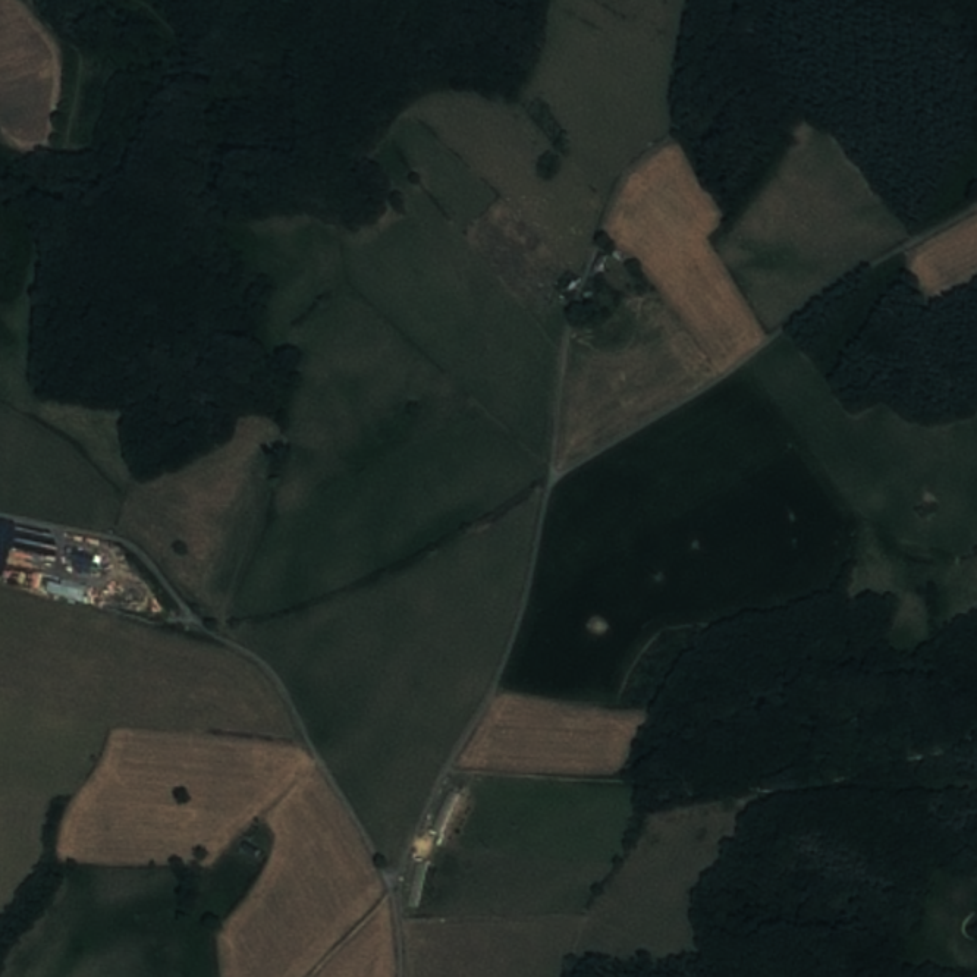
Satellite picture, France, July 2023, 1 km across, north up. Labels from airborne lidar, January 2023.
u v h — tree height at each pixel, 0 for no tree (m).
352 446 0
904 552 0
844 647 26
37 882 16
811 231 0
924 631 0
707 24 23
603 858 0
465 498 0
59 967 0
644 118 0
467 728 0
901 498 0
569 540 0
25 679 0
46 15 10
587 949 0
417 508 0
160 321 24
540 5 19
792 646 23
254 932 0
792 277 0
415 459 0
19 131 0
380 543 0
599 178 0
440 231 0
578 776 0
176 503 0
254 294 9
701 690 23
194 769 0
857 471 0
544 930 0
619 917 0
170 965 0
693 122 23
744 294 0
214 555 0
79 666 0
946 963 0
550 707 0
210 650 0
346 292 0
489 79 19
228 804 0
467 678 0
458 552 0
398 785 0
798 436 0
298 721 0
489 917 0
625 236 0
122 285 19
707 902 19
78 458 0
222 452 0
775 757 18
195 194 27
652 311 0
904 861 19
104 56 0
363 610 0
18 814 0
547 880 0
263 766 0
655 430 0
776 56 20
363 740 0
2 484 0
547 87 0
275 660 0
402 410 0
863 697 27
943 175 19
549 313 0
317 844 0
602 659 0
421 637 0
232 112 7
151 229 22
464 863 0
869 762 17
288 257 0
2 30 0
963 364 18
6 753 0
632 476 0
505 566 0
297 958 0
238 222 22
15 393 0
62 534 0
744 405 0
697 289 0
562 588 0
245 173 24
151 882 0
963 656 16
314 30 21
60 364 22
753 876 23
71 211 30
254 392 23
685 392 0
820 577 0
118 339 22
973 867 22
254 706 0
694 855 0
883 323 17
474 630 0
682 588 0
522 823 0
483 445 0
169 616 0
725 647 19
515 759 0
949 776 10
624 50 0
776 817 20
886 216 0
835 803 18
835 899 25
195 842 0
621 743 0
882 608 22
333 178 21
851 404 10
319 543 0
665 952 0
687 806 14
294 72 15
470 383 0
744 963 20
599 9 0
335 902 0
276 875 0
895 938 19
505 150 0
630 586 0
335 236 0
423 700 0
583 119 0
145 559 0
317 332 0
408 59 20
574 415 0
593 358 0
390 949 0
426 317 0
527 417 0
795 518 0
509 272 0
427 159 0
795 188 0
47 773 0
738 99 31
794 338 8
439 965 0
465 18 24
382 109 20
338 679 0
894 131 19
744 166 21
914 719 19
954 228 0
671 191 0
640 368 0
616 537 0
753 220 0
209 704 0
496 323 0
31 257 0
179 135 19
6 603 0
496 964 0
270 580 0
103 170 23
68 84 9
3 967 18
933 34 16
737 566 0
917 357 20
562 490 0
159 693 0
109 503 0
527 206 0
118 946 0
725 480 0
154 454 23
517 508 0
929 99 19
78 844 0
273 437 0
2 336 0
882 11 21
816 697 29
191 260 26
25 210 27
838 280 0
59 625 0
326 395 0
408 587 0
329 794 0
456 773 0
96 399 17
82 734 0
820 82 19
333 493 0
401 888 0
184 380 32
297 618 0
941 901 0
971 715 26
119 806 0
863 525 0
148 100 9
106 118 8
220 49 24
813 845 20
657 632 0
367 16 21
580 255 0
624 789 0
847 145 18
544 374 0
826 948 28
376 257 0
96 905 0
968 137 19
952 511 0
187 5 25
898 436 0
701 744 25
